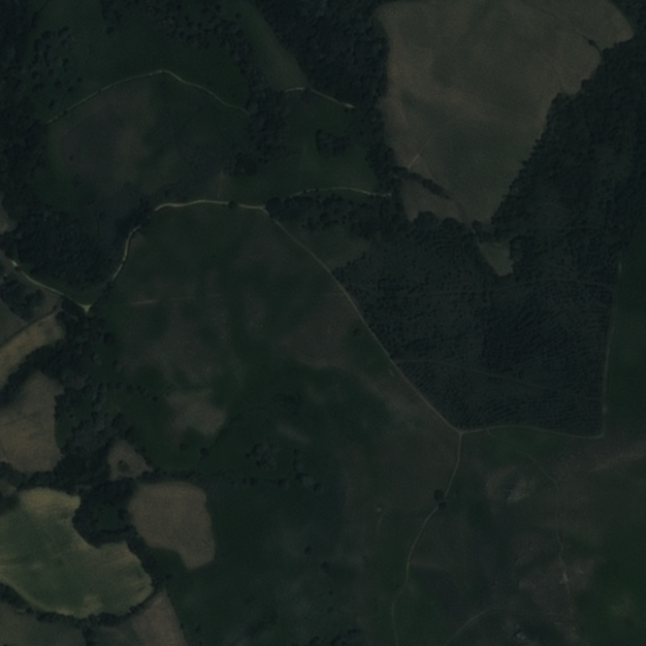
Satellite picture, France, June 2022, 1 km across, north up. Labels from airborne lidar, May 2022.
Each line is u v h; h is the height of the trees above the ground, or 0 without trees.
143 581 0
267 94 11
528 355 11
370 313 10
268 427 0
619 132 9
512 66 0
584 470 0
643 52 16
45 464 0
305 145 0
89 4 0
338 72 17
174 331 0
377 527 0
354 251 0
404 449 0
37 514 0
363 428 0
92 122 0
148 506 0
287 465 0
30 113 9
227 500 0
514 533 0
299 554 0
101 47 0
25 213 7
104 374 0
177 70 0
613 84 13
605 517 0
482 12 0
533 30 0
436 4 0
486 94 0
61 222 12
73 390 13
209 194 0
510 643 0
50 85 0
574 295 6
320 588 0
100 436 11
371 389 0
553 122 11
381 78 9
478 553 0
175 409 0
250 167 7
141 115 0
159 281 0
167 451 0
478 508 0
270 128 10
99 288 0
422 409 0
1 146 29
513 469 0
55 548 0
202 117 0
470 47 0
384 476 0
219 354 0
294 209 25
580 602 0
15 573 0
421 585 0
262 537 0
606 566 0
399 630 0
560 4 0
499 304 7
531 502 0
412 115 0
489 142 0
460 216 0
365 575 0
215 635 0
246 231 0
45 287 0
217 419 0
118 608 0
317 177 0
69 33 8
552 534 0
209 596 0
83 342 15
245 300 0
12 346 0
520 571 0
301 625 0
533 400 6
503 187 0
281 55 0
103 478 9
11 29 27
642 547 0
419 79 0
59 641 0
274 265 0
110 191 0
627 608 0
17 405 0
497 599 0
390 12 0
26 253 23
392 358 9
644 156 17
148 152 0
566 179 12
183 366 0
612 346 0
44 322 0
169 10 6
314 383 0
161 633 0
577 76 0
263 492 0
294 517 0
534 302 7
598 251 12
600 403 7
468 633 0
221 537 0
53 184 0
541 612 0
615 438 0
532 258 11
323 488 9
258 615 0
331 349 0
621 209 17
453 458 0
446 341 7
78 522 18
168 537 0
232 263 0
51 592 0
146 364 0
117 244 7
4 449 0
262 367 0
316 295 0
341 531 0
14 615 0
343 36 15
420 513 0
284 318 0
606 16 0
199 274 0
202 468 0
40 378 0
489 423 7
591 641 0
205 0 16
